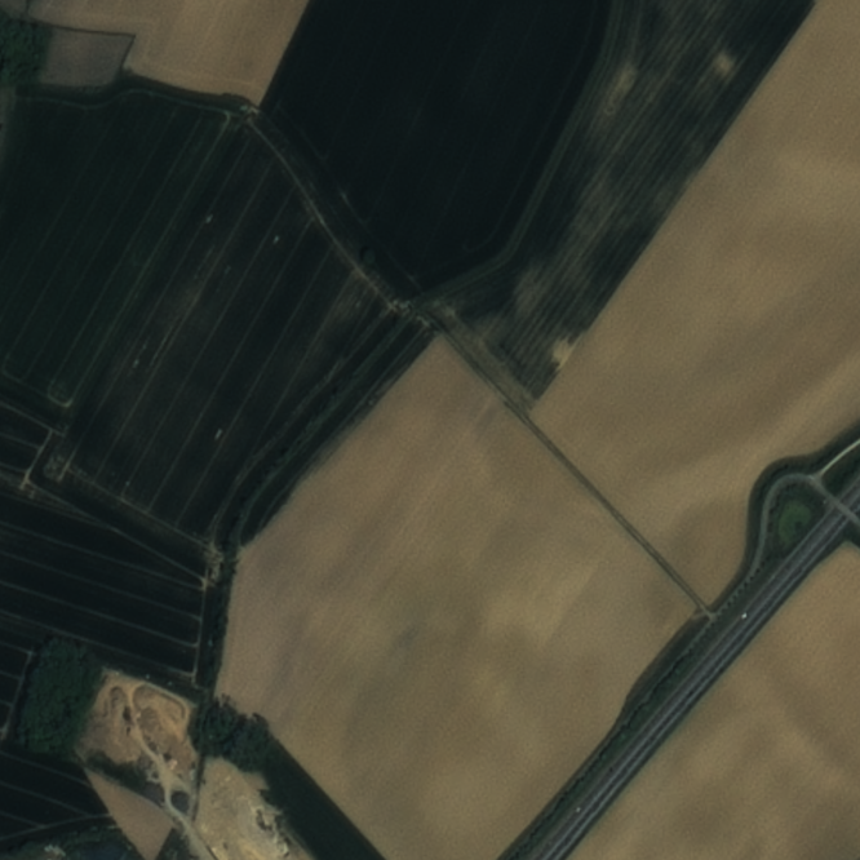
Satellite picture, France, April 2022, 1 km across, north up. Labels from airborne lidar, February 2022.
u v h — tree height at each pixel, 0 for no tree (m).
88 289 0
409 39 0
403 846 0
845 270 0
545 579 0
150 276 0
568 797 9
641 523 0
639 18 0
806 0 0
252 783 0
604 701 0
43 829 0
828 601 0
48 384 0
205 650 0
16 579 0
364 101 0
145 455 0
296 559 0
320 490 0
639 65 0
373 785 0
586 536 0
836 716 0
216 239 0
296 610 0
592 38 0
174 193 0
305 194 0
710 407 0
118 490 0
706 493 0
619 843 0
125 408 0
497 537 0
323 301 0
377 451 0
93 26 0
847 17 0
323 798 0
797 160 0
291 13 0
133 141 0
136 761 0
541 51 0
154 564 0
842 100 0
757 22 0
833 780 0
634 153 0
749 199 0
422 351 0
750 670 0
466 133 0
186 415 0
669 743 0
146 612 0
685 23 0
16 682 0
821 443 0
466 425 0
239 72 0
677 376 0
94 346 0
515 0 0
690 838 0
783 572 0
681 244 0
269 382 0
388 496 0
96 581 0
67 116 0
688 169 0
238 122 0
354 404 0
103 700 0
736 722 0
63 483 0
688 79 0
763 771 0
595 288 0
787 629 0
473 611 0
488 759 0
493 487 0
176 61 0
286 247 0
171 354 0
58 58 0
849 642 0
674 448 0
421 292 0
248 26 0
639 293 0
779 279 0
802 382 0
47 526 0
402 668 0
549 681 0
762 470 0
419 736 0
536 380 0
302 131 0
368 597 0
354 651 0
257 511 0
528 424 0
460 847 0
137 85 0
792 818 0
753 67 0
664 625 0
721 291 0
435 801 0
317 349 0
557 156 0
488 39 0
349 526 0
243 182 0
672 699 0
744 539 0
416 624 0
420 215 0
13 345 0
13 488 0
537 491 0
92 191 0
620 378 0
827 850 0
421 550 0
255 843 0
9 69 16
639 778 0
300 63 0
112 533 0
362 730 0
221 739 11
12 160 0
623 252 0
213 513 0
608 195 0
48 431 0
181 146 0
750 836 0
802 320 0
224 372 0
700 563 0
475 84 0
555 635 0
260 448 0
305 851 0
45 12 0
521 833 0
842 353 0
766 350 0
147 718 0
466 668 0
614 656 0
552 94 0
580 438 0
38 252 0
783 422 0
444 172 0
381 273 0
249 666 0
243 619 0
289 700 0
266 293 0
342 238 0
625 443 0
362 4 0
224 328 0
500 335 0
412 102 0
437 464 0
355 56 0
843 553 0
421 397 0
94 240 0
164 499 0
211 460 0
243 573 0
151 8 0
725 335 0
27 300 0
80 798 0
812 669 0
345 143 0
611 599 0
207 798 0
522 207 0
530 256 0
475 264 0
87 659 20
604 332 0
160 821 0
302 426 0
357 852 0
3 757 0
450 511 0
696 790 0
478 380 0
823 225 0
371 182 0
